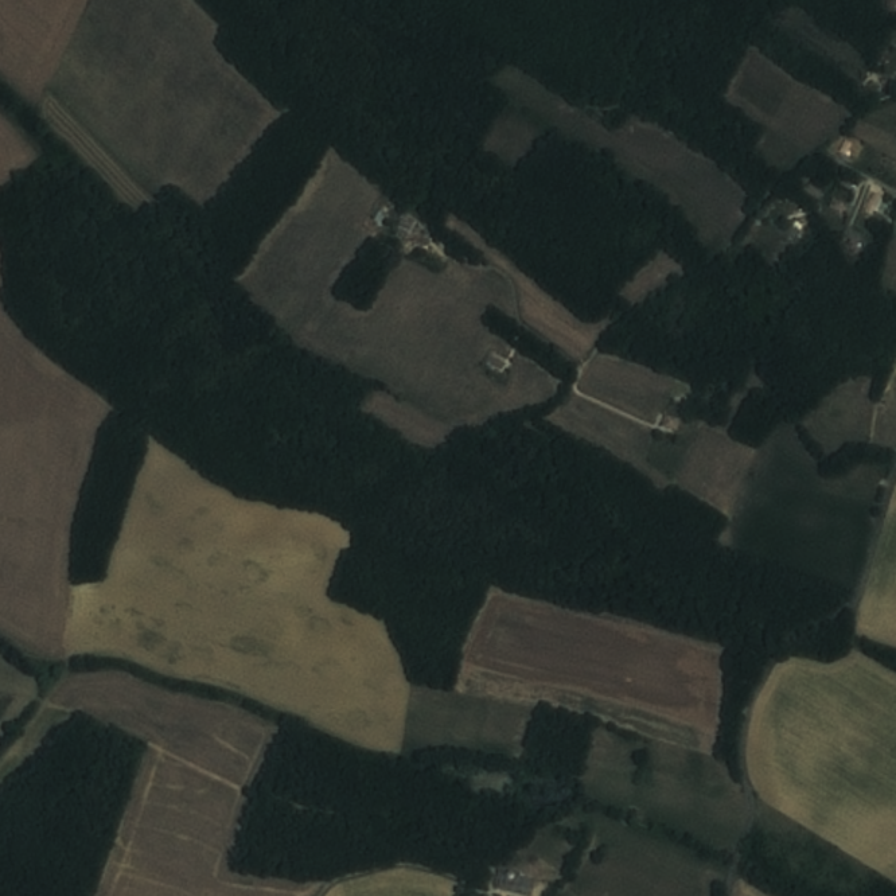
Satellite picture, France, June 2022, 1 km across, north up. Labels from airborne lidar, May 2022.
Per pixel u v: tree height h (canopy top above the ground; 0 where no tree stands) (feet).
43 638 0
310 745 74
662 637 0
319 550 0
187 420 39
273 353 60
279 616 0
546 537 44
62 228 71
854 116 28
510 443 60
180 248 65
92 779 59
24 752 0
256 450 50
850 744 0
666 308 34
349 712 0
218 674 0
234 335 72
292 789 63
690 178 0
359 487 41
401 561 39
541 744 56
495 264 0
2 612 0
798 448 0
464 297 0
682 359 60
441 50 64
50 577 0
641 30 40
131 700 0
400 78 62
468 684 0
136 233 68
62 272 51
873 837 0
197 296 62
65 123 0
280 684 0
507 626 0
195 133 0
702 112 59
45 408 0
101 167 0
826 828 0
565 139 30
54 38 0
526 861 0
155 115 0
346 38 53
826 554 0
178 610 0
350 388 58
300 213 0
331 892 0
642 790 0
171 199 67
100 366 50
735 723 40
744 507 0
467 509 53
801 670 0
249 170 38
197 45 0
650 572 64
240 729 0
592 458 49
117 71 0
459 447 76
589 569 67
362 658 0
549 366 28
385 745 0
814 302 53
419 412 0
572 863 52
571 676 0
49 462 0
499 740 0
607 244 43
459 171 44
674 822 0
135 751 72
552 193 57
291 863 57
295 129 34
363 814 75
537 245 47
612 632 0
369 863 57
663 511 48
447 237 38
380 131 42
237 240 53
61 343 48
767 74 0
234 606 0
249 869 59
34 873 66
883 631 0
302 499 38
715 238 0
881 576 0
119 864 0
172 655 0
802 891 23
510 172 60
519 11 39
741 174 53
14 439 0
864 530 0
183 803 0
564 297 41
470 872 61
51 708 0
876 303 51
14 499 0
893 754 0
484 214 46
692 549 58
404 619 44
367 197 0
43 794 66
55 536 0
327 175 0
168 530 0
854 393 0
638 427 0
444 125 57
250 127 0
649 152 0
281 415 48
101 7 0
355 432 44
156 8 0
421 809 67
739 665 56
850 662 0
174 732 0
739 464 0
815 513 0
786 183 65
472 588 39
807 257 47
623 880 0
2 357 0
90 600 0
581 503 72
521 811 72
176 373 40
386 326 0
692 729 0
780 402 55
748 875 27
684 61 68
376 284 54
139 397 47
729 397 44
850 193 23
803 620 60
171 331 46
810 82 33
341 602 32
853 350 40
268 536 0
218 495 0
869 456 69
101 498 35
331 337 0
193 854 0
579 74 47
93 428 0
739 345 51
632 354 52
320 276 0
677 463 0
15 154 0
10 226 38
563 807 63
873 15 56
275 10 44
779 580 65
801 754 0
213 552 0
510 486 72
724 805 0
